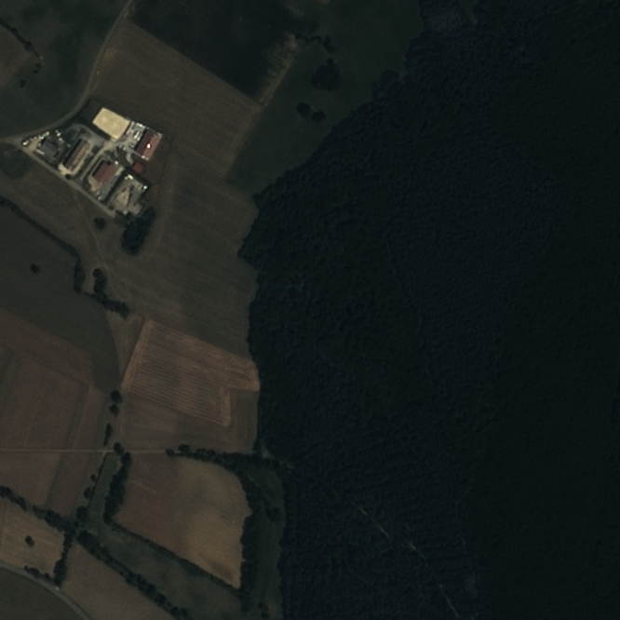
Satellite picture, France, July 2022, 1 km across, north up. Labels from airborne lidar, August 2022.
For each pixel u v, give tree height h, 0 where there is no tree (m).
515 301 16
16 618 0
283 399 18
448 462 18
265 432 19
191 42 0
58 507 0
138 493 0
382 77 0
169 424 0
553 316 18
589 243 17
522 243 26
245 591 11
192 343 0
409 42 0
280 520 13
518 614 13
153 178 0
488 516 12
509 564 16
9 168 0
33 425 0
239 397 0
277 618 0
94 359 0
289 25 0
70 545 12
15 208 7
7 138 0
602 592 14
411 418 16
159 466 0
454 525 17
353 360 19
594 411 13
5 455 0
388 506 15
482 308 26
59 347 0
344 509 20
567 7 26
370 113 22
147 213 14
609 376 13
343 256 24
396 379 25
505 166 22
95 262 0
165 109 0
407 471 19
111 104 0
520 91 17
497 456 14
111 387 0
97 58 0
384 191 19
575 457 13
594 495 13
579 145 18
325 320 23
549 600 13
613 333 14
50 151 0
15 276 0
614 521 15
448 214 24
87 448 0
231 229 0
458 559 17
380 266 19
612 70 16
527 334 16
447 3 15
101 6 0
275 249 14
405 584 16
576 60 15
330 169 23
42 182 0
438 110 28
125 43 0
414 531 15
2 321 0
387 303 19
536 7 21
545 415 15
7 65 0
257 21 0
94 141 0
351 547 9
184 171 0
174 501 0
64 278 0
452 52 22
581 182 16
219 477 0
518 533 15
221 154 0
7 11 0
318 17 0
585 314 15
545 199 25
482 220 29
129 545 0
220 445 0
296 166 0
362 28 0
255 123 0
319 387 15
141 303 0
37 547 0
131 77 0
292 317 21
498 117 17
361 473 19
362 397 21
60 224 0
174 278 0
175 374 0
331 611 24
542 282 17
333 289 22
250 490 16
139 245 17
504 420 16
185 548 0
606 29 13
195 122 0
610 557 17
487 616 14
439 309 27
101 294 10
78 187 0
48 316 0
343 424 25
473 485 12
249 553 16
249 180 0
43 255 0
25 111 0
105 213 0
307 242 24
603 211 15
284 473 19
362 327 22
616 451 16
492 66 21
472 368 29
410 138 22
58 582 16
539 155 19
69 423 0
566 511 14
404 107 27
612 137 18
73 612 0
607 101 16
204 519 0
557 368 16
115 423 0
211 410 0
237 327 0
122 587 0
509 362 17
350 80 0
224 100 0
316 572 22
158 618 0
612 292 15
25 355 0
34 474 0
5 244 0
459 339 28
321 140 0
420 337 22
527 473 13
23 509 9
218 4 0
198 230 0
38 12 0
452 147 27
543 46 22
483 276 29
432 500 16
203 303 0
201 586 0
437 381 21
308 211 27
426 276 25
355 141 25
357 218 26
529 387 15
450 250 25
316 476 19
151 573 0
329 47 18
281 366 19
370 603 18
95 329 0
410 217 25
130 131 0
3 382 0
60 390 0
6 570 0
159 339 0
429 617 19
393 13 0
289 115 0
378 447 16
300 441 15
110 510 17
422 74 22
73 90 0
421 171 22
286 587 17
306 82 0
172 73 0
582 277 16
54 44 0
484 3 24
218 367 0
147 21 0
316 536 25
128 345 0
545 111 16
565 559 14
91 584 0
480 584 18
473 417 26
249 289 0
